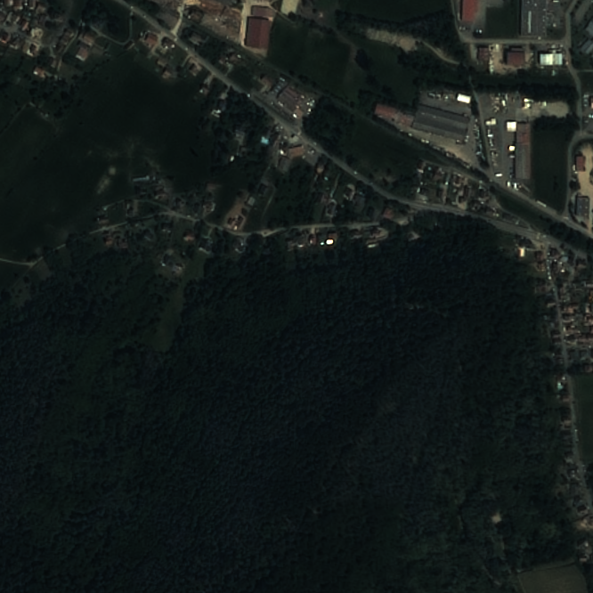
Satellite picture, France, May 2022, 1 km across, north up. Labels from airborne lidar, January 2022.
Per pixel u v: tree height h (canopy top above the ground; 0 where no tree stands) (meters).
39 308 13
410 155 0
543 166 0
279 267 11
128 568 20
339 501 17
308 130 11
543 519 13
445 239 22
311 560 13
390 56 0
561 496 6
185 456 15
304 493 21
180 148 0
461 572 19
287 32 0
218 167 9
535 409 18
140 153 0
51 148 0
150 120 0
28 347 18
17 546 24
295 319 6
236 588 17
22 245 0
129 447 27
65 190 0
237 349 14
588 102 0
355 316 20
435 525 23
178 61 0
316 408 18
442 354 22
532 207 0
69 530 22
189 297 16
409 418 20
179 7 0
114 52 0
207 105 6
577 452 0
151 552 16
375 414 18
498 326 18
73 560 32
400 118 0
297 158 0
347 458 16
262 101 0
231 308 16
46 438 9
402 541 20
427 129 0
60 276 13
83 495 26
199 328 19
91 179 0
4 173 0
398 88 0
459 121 0
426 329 17
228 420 15
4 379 12
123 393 26
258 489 17
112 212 0
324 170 9
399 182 8
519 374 24
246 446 13
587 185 0
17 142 0
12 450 10
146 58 0
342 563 20
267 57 0
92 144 0
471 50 0
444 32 13
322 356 18
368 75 0
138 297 13
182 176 0
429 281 22
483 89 13
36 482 19
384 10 0
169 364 10
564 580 0
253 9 0
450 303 16
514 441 23
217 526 8
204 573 16
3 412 14
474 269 14
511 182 0
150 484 14
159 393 15
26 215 0
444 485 18
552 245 0
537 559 13
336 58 0
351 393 18
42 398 14
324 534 14
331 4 0
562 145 0
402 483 26
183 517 21
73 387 14
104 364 6
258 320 16
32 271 0
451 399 22
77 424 9
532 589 0
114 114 0
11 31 0
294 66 0
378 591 18
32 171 0
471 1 0
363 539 15
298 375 18
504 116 0
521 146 0
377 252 0
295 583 15
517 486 16
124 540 19
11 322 11
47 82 6
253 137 16
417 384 24
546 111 0
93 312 15
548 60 0
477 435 17
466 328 13
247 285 14
